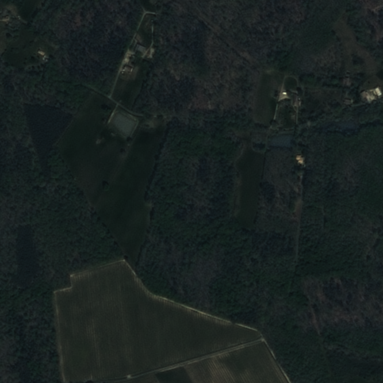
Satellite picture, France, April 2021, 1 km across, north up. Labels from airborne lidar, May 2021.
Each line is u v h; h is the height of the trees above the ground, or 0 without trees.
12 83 10
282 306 15
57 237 17
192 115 16
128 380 0
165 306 0
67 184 17
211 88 12
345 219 21
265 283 16
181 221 26
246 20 18
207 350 0
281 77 0
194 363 0
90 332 0
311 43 17
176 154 21
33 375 16
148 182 0
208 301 15
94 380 0
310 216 11
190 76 17
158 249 12
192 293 15
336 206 18
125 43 18
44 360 19
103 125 0
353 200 20
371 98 0
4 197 11
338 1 14
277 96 0
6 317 7
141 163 0
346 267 13
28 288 14
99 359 0
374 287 24
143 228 0
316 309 20
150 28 0
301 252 10
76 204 20
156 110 14
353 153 16
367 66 0
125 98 0
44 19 14
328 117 13
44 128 9
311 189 21
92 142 0
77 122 0
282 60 17
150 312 0
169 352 0
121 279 0
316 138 20
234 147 17
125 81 0
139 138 0
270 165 12
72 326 0
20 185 13
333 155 21
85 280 0
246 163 0
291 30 17
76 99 23
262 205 10
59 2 13
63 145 0
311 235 8
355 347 20
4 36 0
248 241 18
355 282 19
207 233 14
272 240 21
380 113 15
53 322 17
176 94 23
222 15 15
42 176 14
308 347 18
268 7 14
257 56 19
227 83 11
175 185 18
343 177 14
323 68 9
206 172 22
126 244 0
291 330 14
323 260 8
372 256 11
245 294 19
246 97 17
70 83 22
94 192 0
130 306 0
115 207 0
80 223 16
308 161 15
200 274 18
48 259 15
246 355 0
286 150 13
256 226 9
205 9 14
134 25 16
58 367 11
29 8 0
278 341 15
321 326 14
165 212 19
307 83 19
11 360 9
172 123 13
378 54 18
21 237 10
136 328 0
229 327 0
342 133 16
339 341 19
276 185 9
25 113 7
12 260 12
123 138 0
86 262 18
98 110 0
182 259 12
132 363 0
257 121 0
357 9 17
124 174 0
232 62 8
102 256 18
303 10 8
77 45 22
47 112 9
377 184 18
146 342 0
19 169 20
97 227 19
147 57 0
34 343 12
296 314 17
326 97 0
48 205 19
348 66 0
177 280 18
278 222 11
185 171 19
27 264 11
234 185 24
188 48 23
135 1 15
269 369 0
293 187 12
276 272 21
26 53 0
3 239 16
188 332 0
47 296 18
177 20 17
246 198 0
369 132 17
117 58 20
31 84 18
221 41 13
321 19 13
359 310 12
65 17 7
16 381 10
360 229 16
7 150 16
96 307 0
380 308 19
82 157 0
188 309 0
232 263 22
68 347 0
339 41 15
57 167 19
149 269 13
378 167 15
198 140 29
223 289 19
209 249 18
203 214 18
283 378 0
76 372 0
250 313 21
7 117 18
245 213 0
